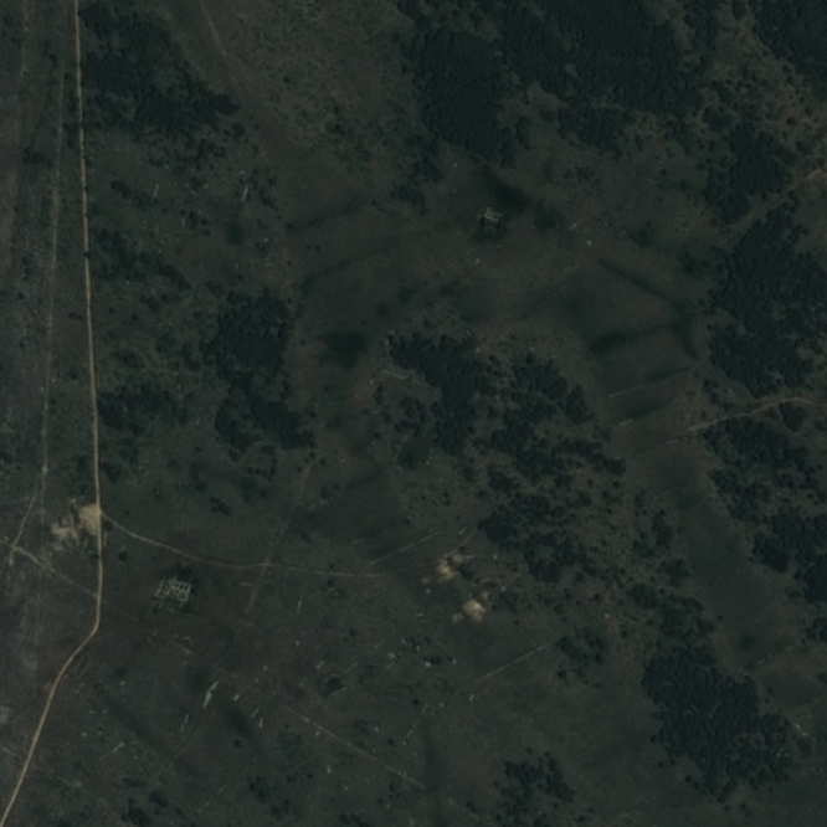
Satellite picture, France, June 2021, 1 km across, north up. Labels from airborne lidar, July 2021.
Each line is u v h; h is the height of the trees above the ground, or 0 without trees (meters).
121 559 7
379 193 0
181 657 0
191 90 8
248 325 11
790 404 9
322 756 0
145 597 0
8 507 0
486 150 12
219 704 0
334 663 0
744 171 9
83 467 6
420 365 9
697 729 9
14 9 0
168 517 0
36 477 0
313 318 0
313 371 0
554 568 7
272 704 0
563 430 0
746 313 9
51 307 0
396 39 8
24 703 0
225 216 0
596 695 0
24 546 0
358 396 0
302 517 0
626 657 0
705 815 0
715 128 6
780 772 6
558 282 0
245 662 0
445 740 0
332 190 0
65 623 0
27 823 0
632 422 0
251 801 0
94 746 0
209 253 0
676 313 0
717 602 0
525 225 0
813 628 7
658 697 9
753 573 0
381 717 0
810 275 10
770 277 13
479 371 9
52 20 0
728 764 6
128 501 0
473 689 0
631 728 0
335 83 0
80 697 0
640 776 0
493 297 0
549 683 0
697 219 0
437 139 7
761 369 9
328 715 0
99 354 0
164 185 0
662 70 9
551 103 0
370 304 0
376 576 0
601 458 7
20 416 0
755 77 9
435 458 0
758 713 7
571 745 0
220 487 0
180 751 0
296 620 0
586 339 0
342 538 0
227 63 0
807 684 0
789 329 7
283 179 0
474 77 9
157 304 8
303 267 0
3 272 0
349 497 0
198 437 0
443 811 0
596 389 0
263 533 0
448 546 0
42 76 0
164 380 0
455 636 0
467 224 0
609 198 0
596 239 0
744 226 0
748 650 0
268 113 0
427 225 0
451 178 0
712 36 8
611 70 12
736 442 11
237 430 9
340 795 0
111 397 7
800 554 7
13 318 0
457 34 9
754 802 0
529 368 8
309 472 0
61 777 0
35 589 0
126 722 0
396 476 0
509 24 10
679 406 0
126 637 0
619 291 0
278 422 9
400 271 0
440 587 0
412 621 0
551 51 11
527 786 6
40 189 0
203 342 7
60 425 0
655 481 0
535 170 0
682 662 8
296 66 0
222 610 0
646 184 0
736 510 8
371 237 0
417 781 0
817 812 0
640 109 7
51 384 0
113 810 0
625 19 13
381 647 0
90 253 8
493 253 0
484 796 0
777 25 9
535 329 0
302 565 0
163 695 0
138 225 0
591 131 9
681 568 9
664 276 0
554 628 0
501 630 0
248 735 0
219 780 0
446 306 0
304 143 0
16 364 0
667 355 0
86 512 0
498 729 0
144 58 8
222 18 0
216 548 0
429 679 0
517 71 8
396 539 0
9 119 0
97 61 8
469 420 10
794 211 8
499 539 8
